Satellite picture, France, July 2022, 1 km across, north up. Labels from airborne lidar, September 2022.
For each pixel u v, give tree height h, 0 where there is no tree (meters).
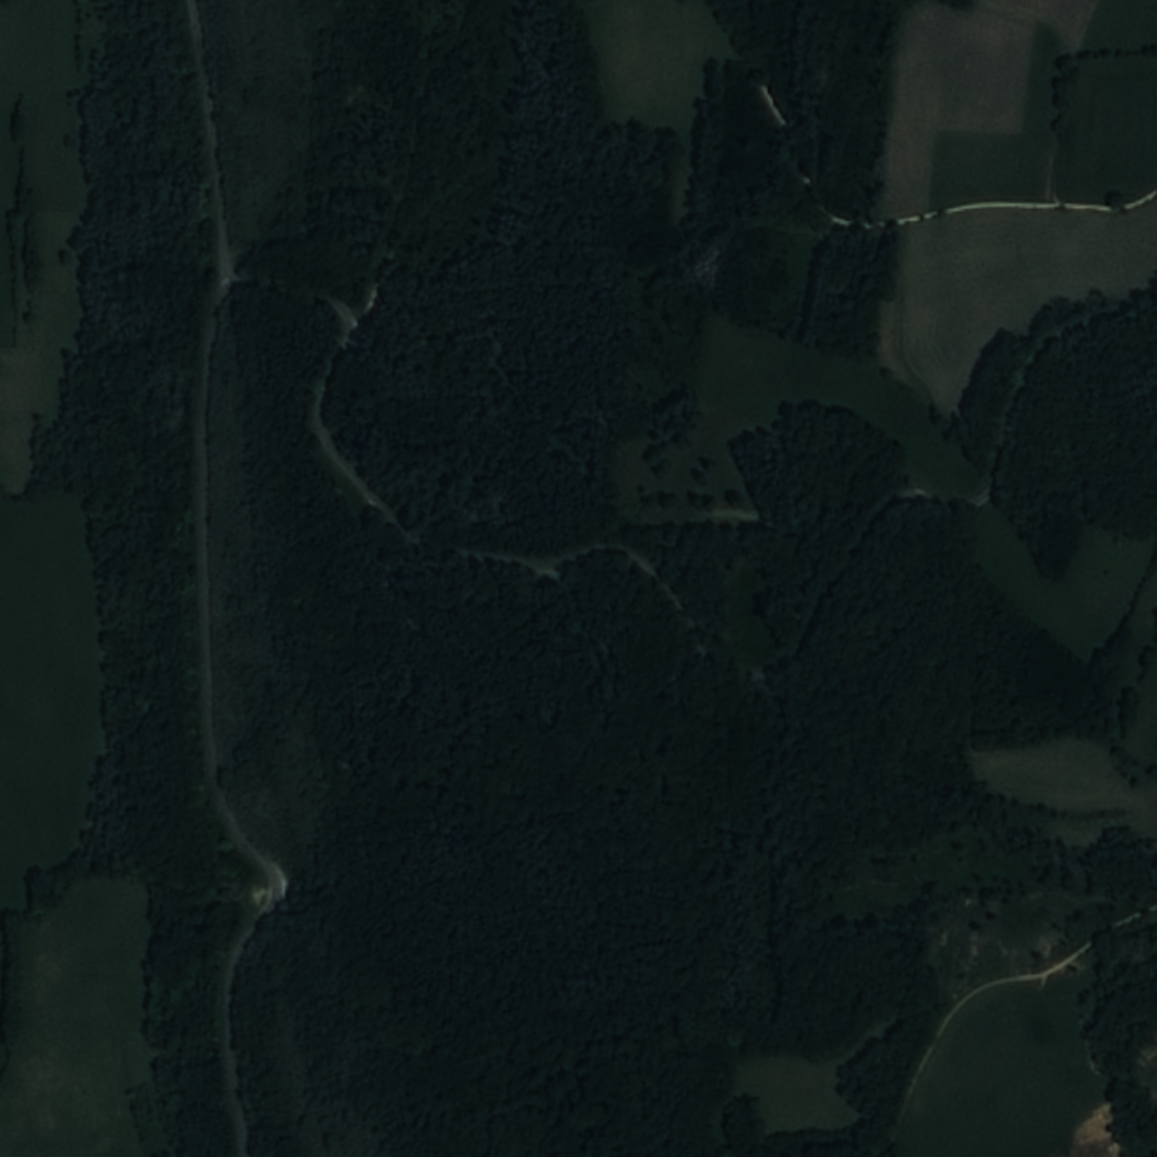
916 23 0
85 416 9
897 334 0
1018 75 0
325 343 21
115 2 6
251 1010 12
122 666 11
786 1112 0
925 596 20
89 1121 0
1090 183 0
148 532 9
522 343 20
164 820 14
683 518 0
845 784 22
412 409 20
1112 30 0
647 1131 14
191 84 14
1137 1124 16
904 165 0
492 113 6
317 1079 10
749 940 26
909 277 0
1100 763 0
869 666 22
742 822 14
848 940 25
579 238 22
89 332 10
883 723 14
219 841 11
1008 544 0
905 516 22
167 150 7
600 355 24
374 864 14
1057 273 0
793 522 26
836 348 23
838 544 26
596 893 18
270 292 21
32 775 0
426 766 27
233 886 14
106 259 15
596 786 17
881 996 19
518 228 30
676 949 17
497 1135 16
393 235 12
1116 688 11
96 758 0
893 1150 11
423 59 8
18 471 0
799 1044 21
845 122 6
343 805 15
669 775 20
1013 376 18
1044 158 0
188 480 7
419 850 23
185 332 21
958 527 26
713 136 25
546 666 21
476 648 21
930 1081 0
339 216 22
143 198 19
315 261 23
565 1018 21
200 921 15
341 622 17
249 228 0
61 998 0
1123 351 18
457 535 24
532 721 19
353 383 25
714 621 26
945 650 21
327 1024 10
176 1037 18
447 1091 13
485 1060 22
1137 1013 18
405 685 23
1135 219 0
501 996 21
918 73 0
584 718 16
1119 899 14
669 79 0
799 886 25
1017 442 13
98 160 17
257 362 16
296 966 7
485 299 25
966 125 0
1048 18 0
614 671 19
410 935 19
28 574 0
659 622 18
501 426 18
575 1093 19
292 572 19
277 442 19
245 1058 10
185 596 12
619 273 25
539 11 27
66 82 0
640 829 20
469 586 21
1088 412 10
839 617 26
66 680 0
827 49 23
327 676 14
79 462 18
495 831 15
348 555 23
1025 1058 0
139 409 16
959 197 0
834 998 17
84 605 0
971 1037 0
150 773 12
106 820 13
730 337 0
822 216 19
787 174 22
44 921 14
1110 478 13
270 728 9
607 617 21
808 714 22
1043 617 0
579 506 22
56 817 0
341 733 16
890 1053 17
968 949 0
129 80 10
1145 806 0
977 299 0
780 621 29
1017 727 10
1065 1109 0
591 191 19
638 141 25
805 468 24
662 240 18
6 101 0
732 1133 14
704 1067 21
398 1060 15
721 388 0
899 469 22
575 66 26
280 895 0
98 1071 0
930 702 26
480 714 28
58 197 0
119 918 0
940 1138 0
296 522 17
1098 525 13
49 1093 0
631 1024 16
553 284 20
